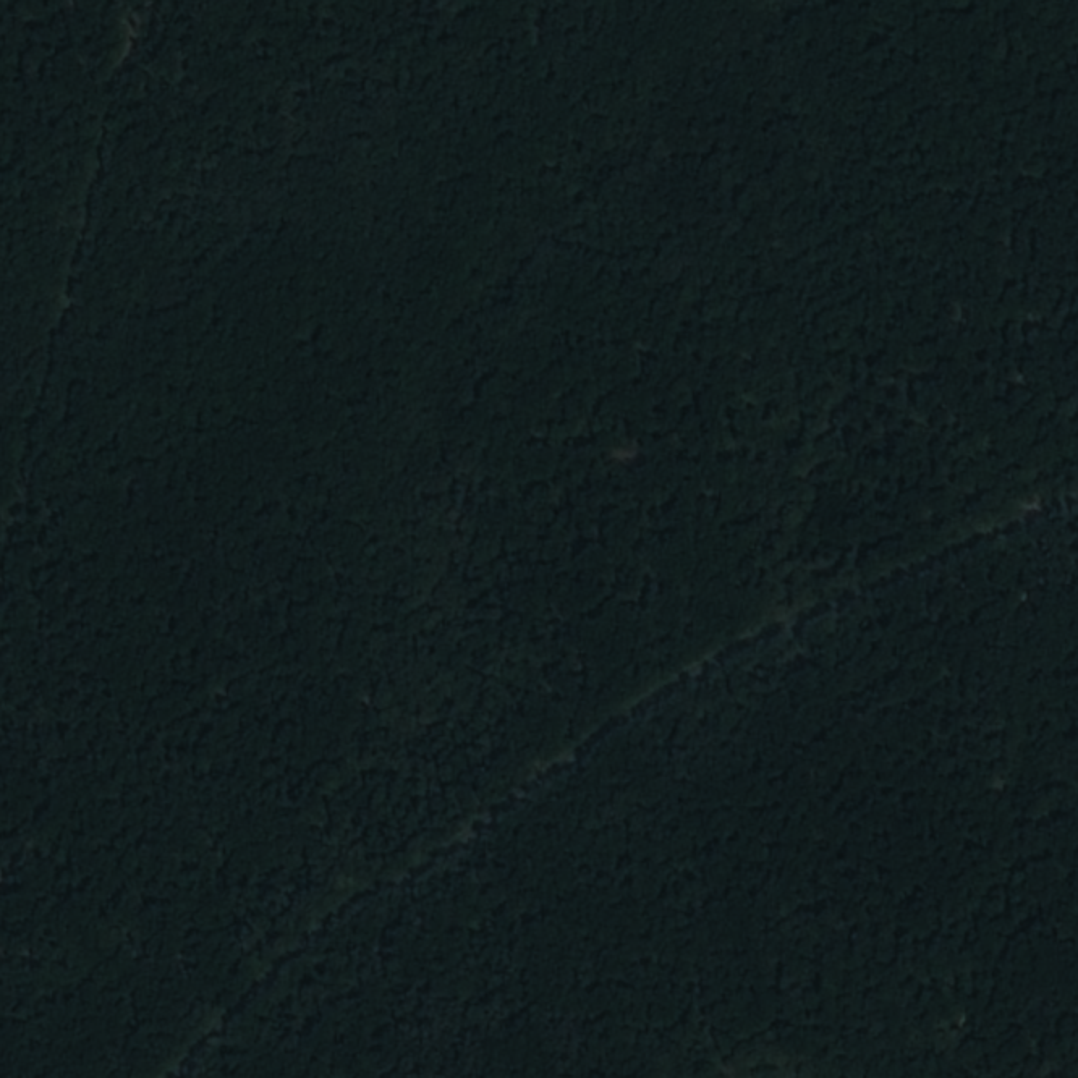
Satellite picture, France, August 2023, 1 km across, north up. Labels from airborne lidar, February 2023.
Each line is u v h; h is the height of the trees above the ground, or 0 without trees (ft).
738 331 69
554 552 80
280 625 88
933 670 80
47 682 76
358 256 71
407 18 66
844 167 61
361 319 74
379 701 83
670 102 42
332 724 85
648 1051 70
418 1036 81
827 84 61
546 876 71
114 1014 79
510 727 75
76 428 79
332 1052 74
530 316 73
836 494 38
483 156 68
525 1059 70
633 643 81
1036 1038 73
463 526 70
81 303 76
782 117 40
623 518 76
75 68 80
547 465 83
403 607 72
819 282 73
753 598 69
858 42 64
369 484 89
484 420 89
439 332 77
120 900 58
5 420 69
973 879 82
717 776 91
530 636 51
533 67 71
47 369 57
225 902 88
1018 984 76
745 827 79
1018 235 61
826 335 72
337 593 86
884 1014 54
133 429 73
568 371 85
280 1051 69
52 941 73
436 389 65
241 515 84
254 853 86
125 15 78
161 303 61
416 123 68
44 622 67
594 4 67
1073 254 76
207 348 80
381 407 72
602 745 61
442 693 69
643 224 69
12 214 84
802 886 78
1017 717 81
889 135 81
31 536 42
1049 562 79
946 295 73
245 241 85
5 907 85
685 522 80
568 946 75
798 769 76
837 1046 54
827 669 70
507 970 52
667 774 57
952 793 84
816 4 65
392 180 63
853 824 89
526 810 71
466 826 60
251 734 69
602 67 57
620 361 78
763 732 77
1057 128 75
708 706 81
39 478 91
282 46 53
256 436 77
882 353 44
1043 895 82
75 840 80
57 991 76
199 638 77
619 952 69
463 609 62
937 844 82
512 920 73
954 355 75
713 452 66
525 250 73
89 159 71
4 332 65
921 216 80
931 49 75
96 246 63
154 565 85
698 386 80
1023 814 51
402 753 67
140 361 80
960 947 68
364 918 64
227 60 87
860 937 86
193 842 84
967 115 77
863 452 72
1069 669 31
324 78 80
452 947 80
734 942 80
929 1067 61
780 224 54
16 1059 71
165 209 69
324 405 90
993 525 52
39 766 67
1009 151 74
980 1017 65
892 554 74
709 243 72
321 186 68
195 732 69
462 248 76
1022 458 80
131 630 79
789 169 83
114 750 72
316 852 87
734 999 78
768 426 60
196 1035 66
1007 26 52
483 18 72
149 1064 83
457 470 72
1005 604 78
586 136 59
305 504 76
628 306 73
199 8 83
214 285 63
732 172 69
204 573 76
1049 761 67
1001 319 79
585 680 63
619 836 79
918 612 68
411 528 70
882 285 81
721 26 74
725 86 79
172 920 87
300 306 81
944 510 81
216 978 84
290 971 56
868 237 80
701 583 78
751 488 58
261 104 66
